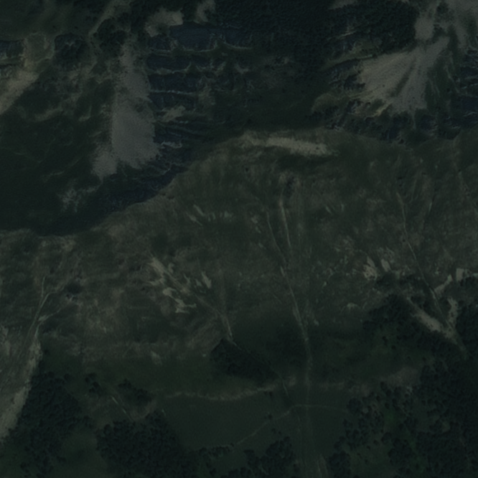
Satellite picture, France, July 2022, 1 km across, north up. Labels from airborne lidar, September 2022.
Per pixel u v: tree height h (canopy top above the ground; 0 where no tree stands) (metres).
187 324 0
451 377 10
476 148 0
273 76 0
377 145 0
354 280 0
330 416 0
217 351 15
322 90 0
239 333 0
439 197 0
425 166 0
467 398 26
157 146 0
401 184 0
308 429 0
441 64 0
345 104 0
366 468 0
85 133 0
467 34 0
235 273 0
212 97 0
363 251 0
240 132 0
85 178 0
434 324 0
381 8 15
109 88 0
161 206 0
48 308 0
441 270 0
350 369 0
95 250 0
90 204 0
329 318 0
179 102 0
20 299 0
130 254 0
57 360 0
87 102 0
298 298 0
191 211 0
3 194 0
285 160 0
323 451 0
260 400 0
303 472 0
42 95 0
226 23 8
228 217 0
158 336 0
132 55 0
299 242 0
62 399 17
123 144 0
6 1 0
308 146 0
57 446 23
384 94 0
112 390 0
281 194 0
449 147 0
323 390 0
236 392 0
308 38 8
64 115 0
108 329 0
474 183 0
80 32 0
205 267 0
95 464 0
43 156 0
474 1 0
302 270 0
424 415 0
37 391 14
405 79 0
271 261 0
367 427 19
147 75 0
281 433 14
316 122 0
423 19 0
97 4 15
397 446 20
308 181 0
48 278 0
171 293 0
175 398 0
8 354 0
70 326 0
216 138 0
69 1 11
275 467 18
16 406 0
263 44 8
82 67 0
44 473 18
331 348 0
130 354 0
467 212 0
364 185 0
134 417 0
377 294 0
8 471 0
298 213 0
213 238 0
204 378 0
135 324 0
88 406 0
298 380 0
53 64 0
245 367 7
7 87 0
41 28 0
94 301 0
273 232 0
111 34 7
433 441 17
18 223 0
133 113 0
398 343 6
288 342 6
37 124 0
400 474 18
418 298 11
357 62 11
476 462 21
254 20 14
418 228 0
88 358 0
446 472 21
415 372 0
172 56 0
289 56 0
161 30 7
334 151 0
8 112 0
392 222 0
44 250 0
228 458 0
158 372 0
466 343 24
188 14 12
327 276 0
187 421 0
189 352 0
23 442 6
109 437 18
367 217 0
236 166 0
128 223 0
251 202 0
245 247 0
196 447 0
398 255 0
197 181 0
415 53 0
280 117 0
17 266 0
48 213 0
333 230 0
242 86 0
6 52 0
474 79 0
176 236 0
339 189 0
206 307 0
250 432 0
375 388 0
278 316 0
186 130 0
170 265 0
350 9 12
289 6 9
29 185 0
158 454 26
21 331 0
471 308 15
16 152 0
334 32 9
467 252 0
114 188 0
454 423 21
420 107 0
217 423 0
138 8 12
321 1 14
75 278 0
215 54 0
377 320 19
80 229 0
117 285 0
